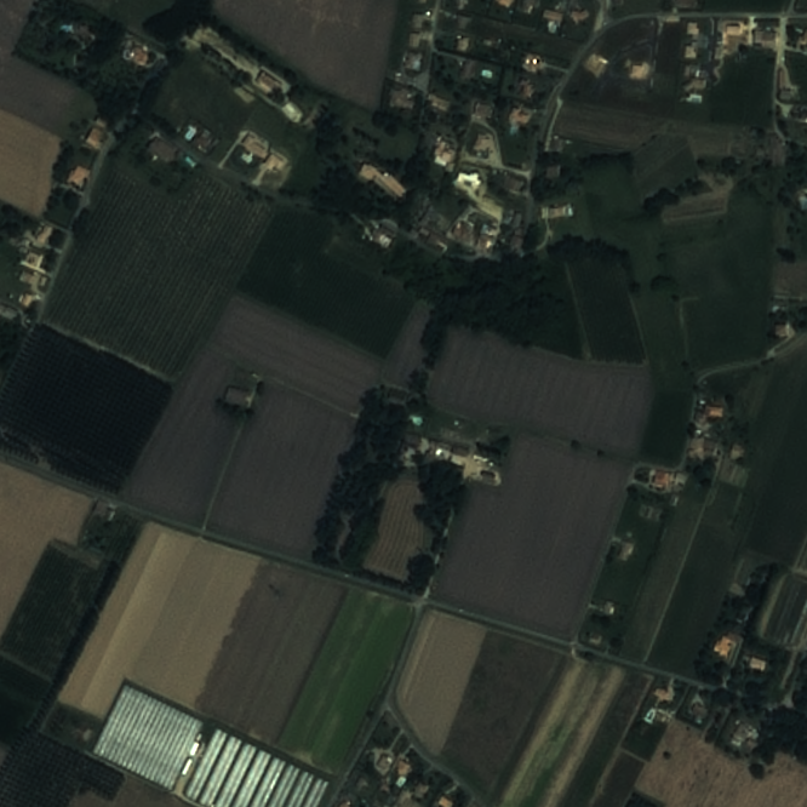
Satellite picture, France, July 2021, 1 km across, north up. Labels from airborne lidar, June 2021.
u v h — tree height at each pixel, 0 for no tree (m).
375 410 20
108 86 7
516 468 0
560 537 0
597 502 0
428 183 8
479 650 0
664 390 0
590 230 0
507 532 0
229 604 0
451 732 0
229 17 0
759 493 0
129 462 23
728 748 6
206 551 0
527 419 0
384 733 0
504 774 0
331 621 0
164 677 0
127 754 0
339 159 18
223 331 0
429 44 0
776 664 11
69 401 22
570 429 0
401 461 7
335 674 0
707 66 0
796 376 0
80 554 0
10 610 0
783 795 0
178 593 0
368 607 0
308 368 0
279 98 17
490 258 12
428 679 0
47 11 6
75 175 0
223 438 0
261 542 0
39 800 20
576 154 0
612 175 0
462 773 0
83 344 15
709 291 0
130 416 21
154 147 0
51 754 18
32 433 21
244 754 0
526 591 0
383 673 0
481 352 0
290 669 0
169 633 0
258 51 16
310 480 0
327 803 0
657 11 0
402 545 0
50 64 6
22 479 0
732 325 0
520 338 13
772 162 13
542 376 0
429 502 8
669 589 0
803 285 0
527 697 0
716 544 0
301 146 0
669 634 0
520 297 7
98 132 0
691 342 0
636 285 14
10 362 10
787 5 0
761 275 0
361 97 0
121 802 0
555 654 0
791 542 0
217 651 0
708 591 0
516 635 0
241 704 0
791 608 0
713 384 0
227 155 0
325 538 10
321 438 0
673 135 0
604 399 0
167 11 9
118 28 17
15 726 0
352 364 0
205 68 0
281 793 0
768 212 0
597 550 0
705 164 10
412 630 0
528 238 11
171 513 0
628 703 0
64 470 20
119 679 0
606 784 0
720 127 0
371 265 0
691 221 0
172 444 0
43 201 0
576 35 0
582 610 0
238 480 0
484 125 0
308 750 0
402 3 0
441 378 0
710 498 0
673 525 0
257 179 0
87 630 20
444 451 0
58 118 0
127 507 0
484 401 0
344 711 0
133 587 0
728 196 0
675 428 0
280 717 0
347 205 17
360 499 22
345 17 0
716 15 0
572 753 0
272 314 0
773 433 0
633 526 0
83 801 0
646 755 0
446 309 13
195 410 0
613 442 0
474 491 0
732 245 0
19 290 0
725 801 0
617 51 0
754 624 18
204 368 0
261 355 0
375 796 0
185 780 0
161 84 13
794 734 16
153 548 0
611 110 0
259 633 0
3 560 0
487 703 0
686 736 0
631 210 0
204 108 0
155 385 20
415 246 9
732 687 8
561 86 0
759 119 0
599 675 0
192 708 0
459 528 0
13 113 0
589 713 0
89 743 0
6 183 0
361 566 12
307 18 0
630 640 0
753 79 0
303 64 0
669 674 0
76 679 0
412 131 6
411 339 0
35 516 0
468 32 0
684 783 0
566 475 0
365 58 0
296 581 0
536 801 0
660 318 0
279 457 0
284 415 0
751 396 0
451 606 0
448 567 0
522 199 0
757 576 6
